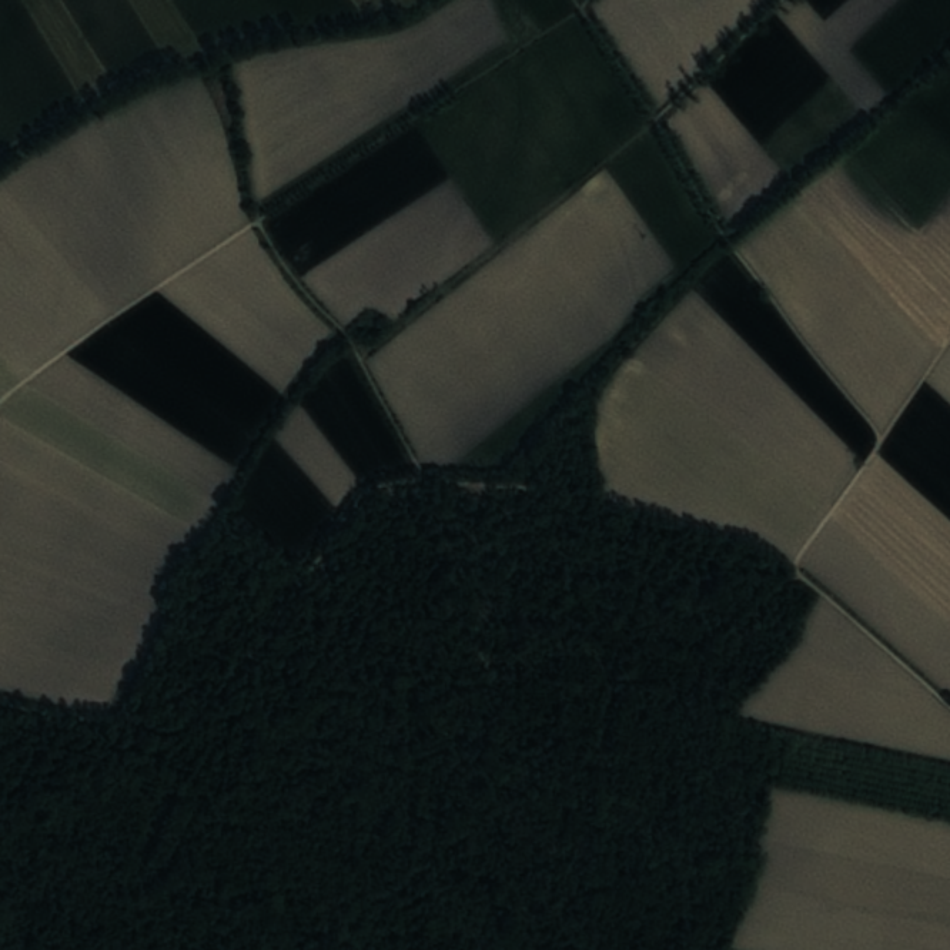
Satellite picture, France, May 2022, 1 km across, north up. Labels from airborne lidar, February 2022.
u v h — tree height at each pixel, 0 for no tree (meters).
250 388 0
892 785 11
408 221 0
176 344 0
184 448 0
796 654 0
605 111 0
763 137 0
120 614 0
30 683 0
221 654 27
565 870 25
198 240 0
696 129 0
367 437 0
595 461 18
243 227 0
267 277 0
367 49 0
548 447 21
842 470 0
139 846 0
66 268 0
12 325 0
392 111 0
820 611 0
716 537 18
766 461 0
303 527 0
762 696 0
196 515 0
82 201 0
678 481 0
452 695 23
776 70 0
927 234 0
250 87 0
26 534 0
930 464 0
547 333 0
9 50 0
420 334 0
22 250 0
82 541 0
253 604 27
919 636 0
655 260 0
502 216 0
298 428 0
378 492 22
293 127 0
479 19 0
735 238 18
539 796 27
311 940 24
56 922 20
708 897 29
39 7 0
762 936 0
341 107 0
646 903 19
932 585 0
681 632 25
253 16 0
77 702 0
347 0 0
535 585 24
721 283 0
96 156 0
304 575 25
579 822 26
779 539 0
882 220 0
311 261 0
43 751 24
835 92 0
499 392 0
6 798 25
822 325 0
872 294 0
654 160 0
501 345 0
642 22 0
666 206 0
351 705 25
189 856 26
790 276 0
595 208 0
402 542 29
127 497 0
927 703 0
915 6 0
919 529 0
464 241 0
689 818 28
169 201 0
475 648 28
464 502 27
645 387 0
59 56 0
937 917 0
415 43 0
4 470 0
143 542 0
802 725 0
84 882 10
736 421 0
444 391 0
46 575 0
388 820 29
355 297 0
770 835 0
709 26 0
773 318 0
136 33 0
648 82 0
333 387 0
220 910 25
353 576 26
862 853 0
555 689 30
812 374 0
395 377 0
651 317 6
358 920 23
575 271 0
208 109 0
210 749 28
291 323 0
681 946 25
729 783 27
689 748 25
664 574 20
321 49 0
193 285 0
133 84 28
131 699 22
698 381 0
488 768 25
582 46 0
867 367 0
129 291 0
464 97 0
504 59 0
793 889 0
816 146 0
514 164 0
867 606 0
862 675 0
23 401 0
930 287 0
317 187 0
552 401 0
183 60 27
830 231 0
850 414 0
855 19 0
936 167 0
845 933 0
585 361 0
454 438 0
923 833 0
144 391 0
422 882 25
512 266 0
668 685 18
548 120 0
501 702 25
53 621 0
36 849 25
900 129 0
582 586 27
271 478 0
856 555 0
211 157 0
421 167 0
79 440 0
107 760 31
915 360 0
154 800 0
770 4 23
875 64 0
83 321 0
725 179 0
